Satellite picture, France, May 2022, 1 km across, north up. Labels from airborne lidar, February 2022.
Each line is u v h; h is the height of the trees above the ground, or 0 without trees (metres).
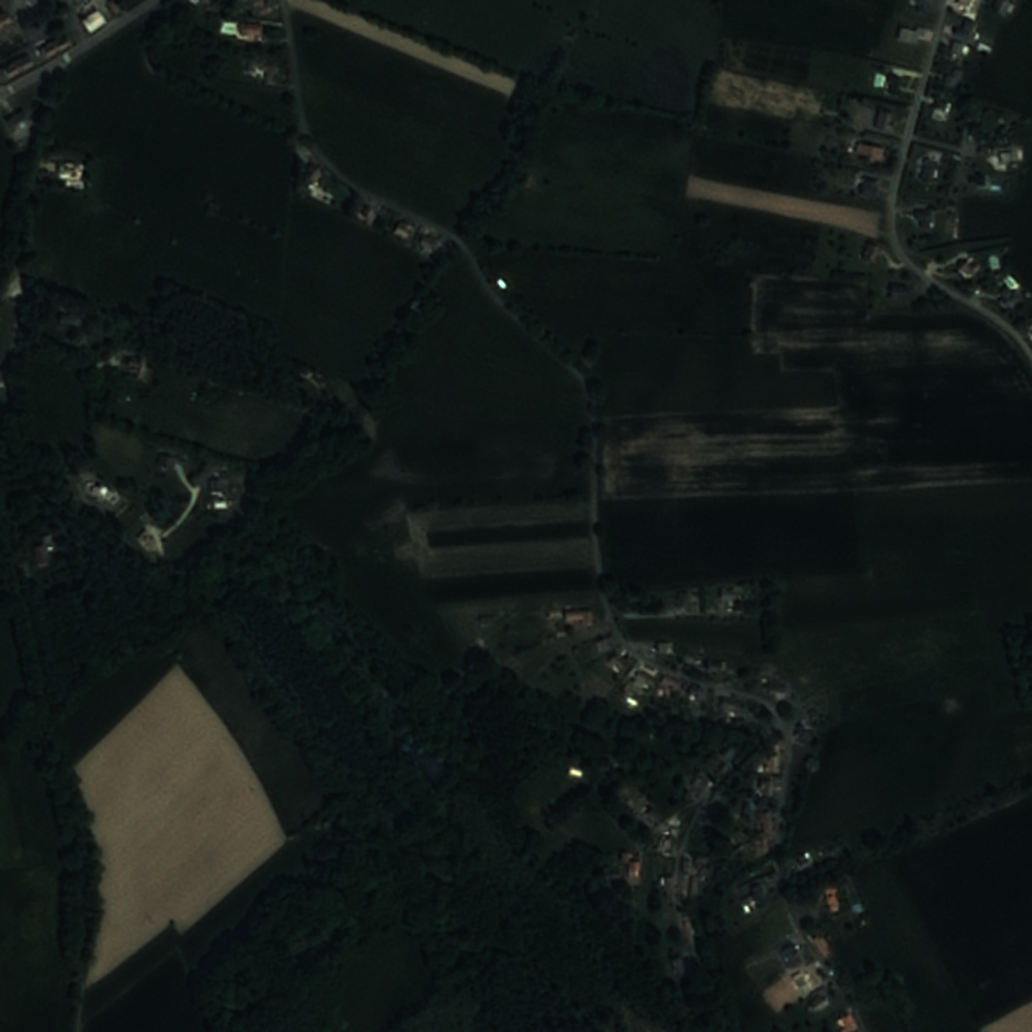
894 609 0
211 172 0
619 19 0
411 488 0
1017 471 0
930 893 0
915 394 0
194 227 0
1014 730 0
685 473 0
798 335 0
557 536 0
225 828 0
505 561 0
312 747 20
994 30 0
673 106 0
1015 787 11
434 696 24
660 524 0
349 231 0
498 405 0
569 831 0
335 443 25
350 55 0
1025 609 0
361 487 0
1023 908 0
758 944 0
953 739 0
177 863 0
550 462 0
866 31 0
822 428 0
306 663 13
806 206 0
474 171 0
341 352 0
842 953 0
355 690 24
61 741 0
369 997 0
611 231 0
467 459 0
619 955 17
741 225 0
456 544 0
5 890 0
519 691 17
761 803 10
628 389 0
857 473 0
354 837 20
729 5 0
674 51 0
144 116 0
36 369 0
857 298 0
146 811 0
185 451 9
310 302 0
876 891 0
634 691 0
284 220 0
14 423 24
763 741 16
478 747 20
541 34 0
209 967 21
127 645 21
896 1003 21
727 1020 21
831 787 0
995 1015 0
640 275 0
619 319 0
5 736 20
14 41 0
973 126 12
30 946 0
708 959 14
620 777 15
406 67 0
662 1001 12
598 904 32
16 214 16
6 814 0
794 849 0
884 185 0
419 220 0
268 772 0
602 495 0
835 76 0
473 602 0
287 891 19
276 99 0
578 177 0
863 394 0
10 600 17
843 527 0
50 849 0
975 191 0
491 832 17
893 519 0
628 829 15
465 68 0
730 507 0
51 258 0
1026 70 0
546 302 0
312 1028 21
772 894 0
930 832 0
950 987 0
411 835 25
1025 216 0
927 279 0
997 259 0
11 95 0
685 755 15
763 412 0
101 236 0
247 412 0
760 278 0
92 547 18
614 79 0
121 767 0
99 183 0
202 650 0
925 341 0
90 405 7
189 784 0
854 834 0
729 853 10
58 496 21
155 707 0
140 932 0
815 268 0
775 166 0
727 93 0
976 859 0
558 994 15
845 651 0
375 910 24
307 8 0
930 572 0
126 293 0
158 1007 0
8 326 0
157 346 15
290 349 0
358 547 0
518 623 0
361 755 8
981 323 0
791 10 0
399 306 0
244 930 11
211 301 10
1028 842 0
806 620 0
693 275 0
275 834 0
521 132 24
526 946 11
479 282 0
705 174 0
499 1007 18
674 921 0
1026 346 0
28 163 16
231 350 20
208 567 25
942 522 0
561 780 0
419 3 0
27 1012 0
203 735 0
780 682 0
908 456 0
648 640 0
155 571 20
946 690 0
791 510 0
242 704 0
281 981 27
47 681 18
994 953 0
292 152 0
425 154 0
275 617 11
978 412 0
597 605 0
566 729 16
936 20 0
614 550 0
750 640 0
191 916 0
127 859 0
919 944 0
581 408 0
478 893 0
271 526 19
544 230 0
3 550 11
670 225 0
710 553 0
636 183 0
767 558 0
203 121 0
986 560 0
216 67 8
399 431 0
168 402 0
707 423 0
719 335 0
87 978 0
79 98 0
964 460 0
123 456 0
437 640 0
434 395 0
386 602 0
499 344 0
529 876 18
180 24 21
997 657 0
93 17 0
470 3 0
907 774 0
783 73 0
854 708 0
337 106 0
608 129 0
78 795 14
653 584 0
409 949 0
